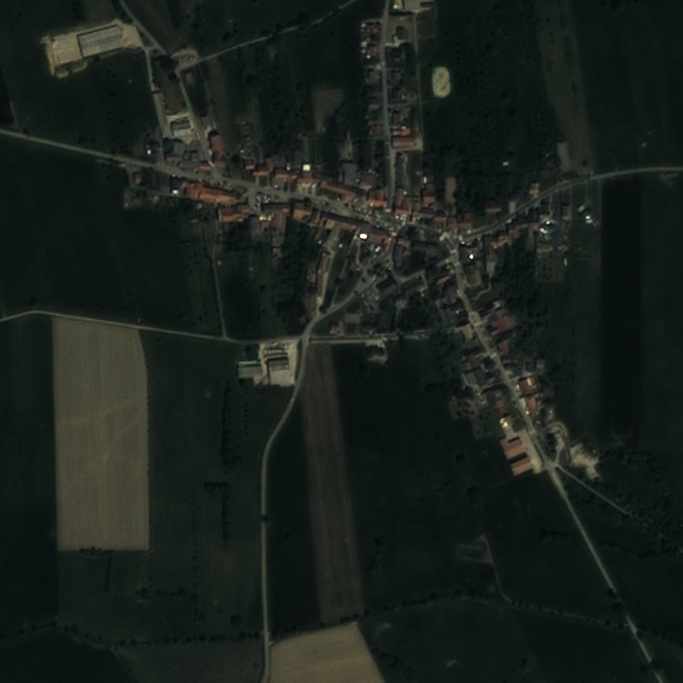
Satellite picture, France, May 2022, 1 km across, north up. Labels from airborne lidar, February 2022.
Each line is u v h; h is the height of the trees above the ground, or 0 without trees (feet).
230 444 31
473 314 0
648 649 0
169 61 55
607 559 0
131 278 0
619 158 0
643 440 0
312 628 0
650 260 0
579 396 0
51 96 0
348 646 0
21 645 0
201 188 0
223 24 0
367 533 0
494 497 0
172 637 0
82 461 0
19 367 0
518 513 0
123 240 0
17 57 0
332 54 0
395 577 0
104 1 0
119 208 0
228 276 0
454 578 0
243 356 0
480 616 0
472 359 0
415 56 39
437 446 0
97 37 0
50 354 0
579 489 0
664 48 0
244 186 0
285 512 0
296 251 18
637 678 0
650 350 0
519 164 0
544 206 0
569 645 0
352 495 0
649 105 0
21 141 0
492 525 0
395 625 0
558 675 0
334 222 0
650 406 0
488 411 0
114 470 0
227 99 0
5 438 0
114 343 0
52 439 0
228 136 0
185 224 0
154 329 0
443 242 0
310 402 0
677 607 0
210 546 0
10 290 0
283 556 0
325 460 0
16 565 0
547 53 0
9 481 0
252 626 0
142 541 0
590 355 0
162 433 0
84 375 0
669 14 0
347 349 0
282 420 0
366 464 0
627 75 0
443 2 0
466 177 60
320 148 0
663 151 0
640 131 0
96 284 0
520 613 0
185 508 0
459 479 0
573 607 0
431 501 0
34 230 0
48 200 0
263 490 0
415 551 0
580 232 0
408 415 0
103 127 0
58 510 0
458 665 0
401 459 0
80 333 0
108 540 0
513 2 0
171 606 0
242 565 0
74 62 0
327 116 0
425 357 0
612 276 0
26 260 0
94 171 0
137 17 0
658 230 0
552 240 0
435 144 0
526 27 0
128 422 0
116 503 0
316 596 0
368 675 0
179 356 0
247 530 0
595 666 0
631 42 0
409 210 0
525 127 0
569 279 0
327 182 0
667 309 0
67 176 0
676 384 0
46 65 0
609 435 0
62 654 0
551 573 0
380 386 0
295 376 0
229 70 0
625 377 0
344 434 0
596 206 0
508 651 0
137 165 0
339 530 0
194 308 0
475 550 0
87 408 0
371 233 0
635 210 0
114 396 0
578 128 0
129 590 0
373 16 0
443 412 0
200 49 0
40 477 0
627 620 0
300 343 0
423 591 0
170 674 0
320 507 0
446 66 0
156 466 0
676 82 0
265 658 0
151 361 0
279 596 0
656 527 27
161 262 0
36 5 0
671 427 0
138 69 0
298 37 21
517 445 0
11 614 0
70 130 0
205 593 0
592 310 0
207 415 0
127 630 0
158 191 0
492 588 0
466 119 0
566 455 0
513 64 0
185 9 0
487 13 0
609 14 0
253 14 0
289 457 0
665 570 0
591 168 0
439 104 0
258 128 0
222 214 0
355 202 0
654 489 0
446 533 0
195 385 0
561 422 0
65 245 0
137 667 0
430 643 0
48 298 0
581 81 0
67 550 0
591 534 0
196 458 0
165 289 0
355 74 0
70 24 0
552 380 21
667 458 0
